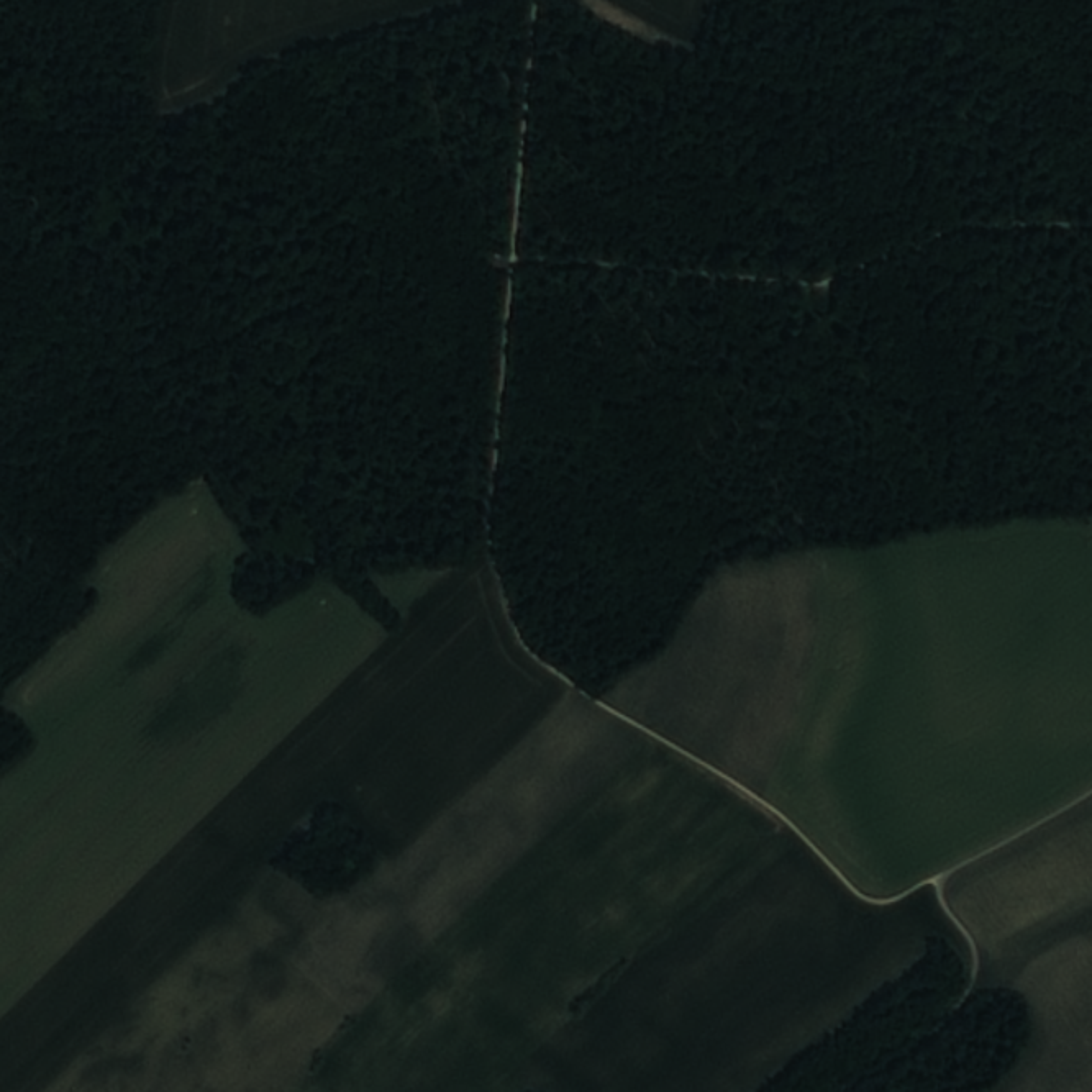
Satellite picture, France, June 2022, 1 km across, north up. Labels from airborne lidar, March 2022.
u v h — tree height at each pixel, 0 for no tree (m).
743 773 0
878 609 0
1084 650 0
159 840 0
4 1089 0
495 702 0
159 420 15
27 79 18
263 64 12
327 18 0
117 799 0
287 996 0
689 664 0
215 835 0
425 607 0
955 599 0
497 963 0
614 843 0
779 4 17
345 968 0
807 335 22
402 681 0
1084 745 0
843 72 19
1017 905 0
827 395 10
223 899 0
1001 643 0
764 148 19
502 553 11
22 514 15
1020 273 22
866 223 15
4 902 0
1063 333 21
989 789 0
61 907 0
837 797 0
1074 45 9
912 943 0
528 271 15
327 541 19
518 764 0
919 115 20
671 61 23
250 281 18
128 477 13
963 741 0
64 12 15
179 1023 0
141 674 0
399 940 0
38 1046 0
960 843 0
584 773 0
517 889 0
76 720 0
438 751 0
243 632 0
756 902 0
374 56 19
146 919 0
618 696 0
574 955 0
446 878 0
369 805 0
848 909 0
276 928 0
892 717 0
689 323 21
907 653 0
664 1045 0
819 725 0
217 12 0
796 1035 0
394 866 0
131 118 21
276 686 0
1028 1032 6
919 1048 23
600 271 11
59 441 9
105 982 0
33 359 13
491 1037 0
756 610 0
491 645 0
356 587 19
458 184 19
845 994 0
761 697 0
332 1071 0
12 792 0
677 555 10
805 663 0
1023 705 0
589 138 24
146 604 0
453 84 18
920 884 0
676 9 0
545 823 0
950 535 0
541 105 20
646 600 10
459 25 21
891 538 13
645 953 0
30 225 15
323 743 0
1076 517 15
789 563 0
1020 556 0
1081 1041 0
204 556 0
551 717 0
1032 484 7
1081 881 0
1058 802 0
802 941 0
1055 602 0
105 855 0
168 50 0
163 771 0
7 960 0
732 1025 0
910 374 17
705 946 0
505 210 20
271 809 0
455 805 0
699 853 0
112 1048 0
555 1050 0
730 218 13
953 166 22
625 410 9
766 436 20
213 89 0
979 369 16
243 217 20
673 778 0
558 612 9
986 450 8
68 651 0
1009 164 18
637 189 11
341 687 0
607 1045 0
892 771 0
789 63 21
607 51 20
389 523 13
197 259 17
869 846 0
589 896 0
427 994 0
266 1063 0
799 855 0
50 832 0
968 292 18
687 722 0
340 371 13
